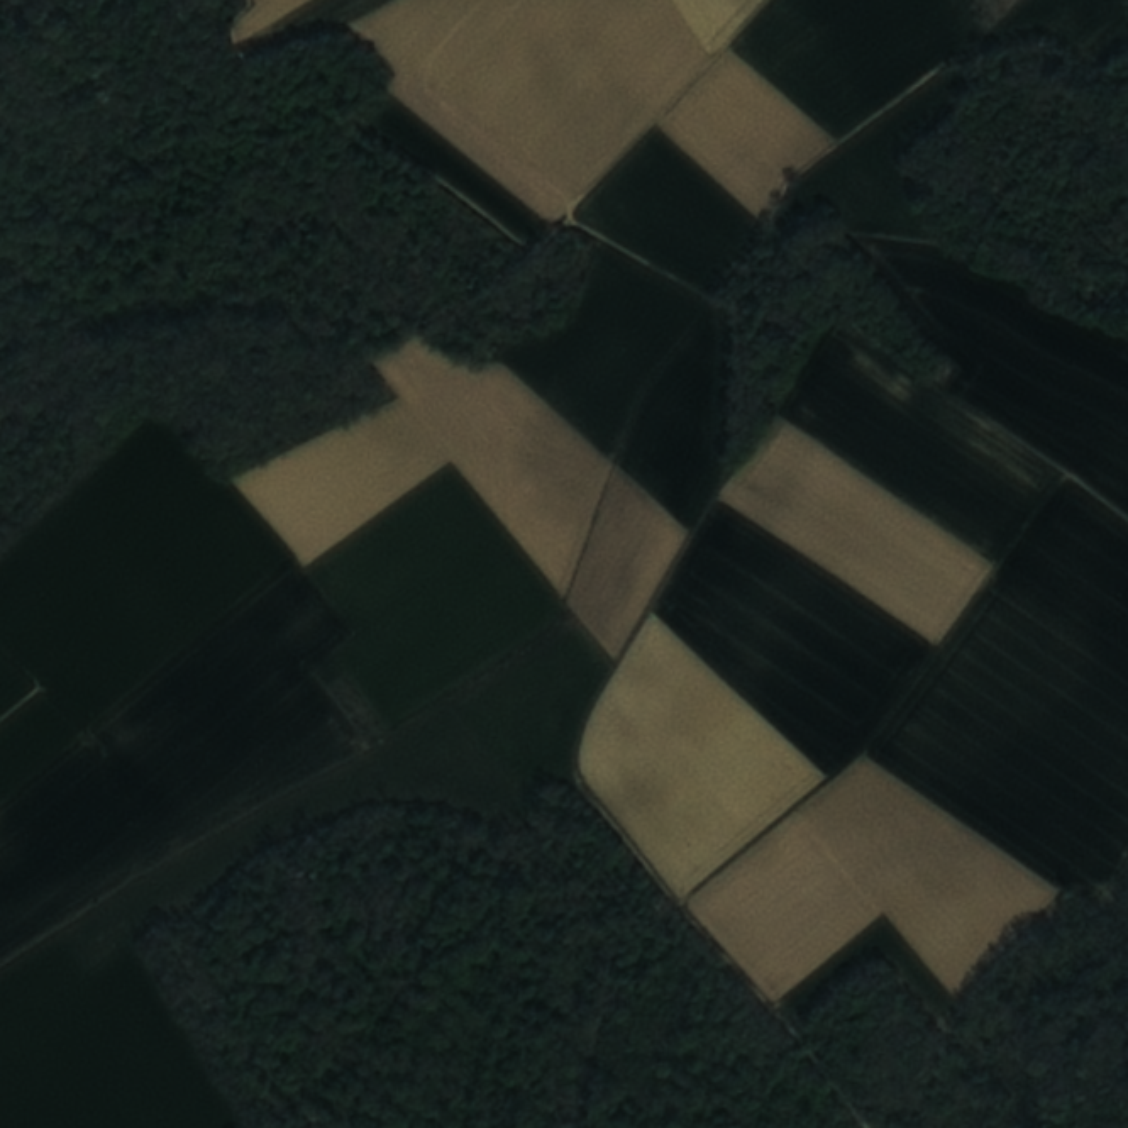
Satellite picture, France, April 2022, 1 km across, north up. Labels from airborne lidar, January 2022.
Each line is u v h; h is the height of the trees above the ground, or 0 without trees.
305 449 0
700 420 0
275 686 0
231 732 0
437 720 0
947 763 0
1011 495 0
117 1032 0
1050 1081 33
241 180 34
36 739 0
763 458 0
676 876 0
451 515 0
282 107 14
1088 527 0
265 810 0
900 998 25
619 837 19
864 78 0
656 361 0
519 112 0
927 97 0
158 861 0
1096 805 0
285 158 23
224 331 26
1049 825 0
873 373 0
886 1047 26
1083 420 0
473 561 0
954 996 0
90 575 0
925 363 21
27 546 0
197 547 0
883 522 0
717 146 0
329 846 26
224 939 25
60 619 0
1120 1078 31
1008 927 0
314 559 0
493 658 0
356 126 26
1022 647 0
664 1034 15
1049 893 0
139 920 0
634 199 0
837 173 0
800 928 0
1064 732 0
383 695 0
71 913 0
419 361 0
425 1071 24
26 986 0
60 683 0
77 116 26
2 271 30
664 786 0
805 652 0
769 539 0
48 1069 0
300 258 22
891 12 0
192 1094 0
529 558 0
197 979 32
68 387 32
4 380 34
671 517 0
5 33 30
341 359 30
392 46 0
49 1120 0
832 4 0
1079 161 6
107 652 0
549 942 16
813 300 27
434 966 26
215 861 0
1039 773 0
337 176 23
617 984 21
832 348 0
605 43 0
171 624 0
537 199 0
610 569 0
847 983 18
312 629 0
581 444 0
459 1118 27
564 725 0
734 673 0
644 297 0
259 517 0
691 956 24
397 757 0
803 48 0
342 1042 8
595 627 0
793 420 0
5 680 0
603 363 0
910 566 0
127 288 30
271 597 0
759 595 0
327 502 0
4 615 0
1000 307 0
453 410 0
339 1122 27
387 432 0
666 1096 29
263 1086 29
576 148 0
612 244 0
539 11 0
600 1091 30
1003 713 0
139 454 0
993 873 0
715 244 0
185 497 0
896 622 0
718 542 0
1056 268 28
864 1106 23
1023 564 0
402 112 0
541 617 0
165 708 0
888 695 0
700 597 0
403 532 0
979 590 0
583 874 32
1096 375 0
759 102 0
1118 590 0
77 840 0
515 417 0
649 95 0
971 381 0
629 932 30
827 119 0
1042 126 7
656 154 0
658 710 0
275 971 27
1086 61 8
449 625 0
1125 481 0
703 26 0
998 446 0
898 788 0
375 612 0
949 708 0
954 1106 25
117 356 33
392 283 28
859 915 0
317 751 0
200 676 0
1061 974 10
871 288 24
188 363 31
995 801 0
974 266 12
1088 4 0
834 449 0
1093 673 0
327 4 0
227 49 25
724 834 0
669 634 0
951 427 0
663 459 0
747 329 26
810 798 0
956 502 0
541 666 0
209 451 22
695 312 0
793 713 0
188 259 17
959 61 14
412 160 18
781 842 0
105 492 0
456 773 0
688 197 0
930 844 0
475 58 0
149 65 31
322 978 27
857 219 0
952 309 0
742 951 0
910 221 0
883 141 0
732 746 0
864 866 0
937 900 0
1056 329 0
